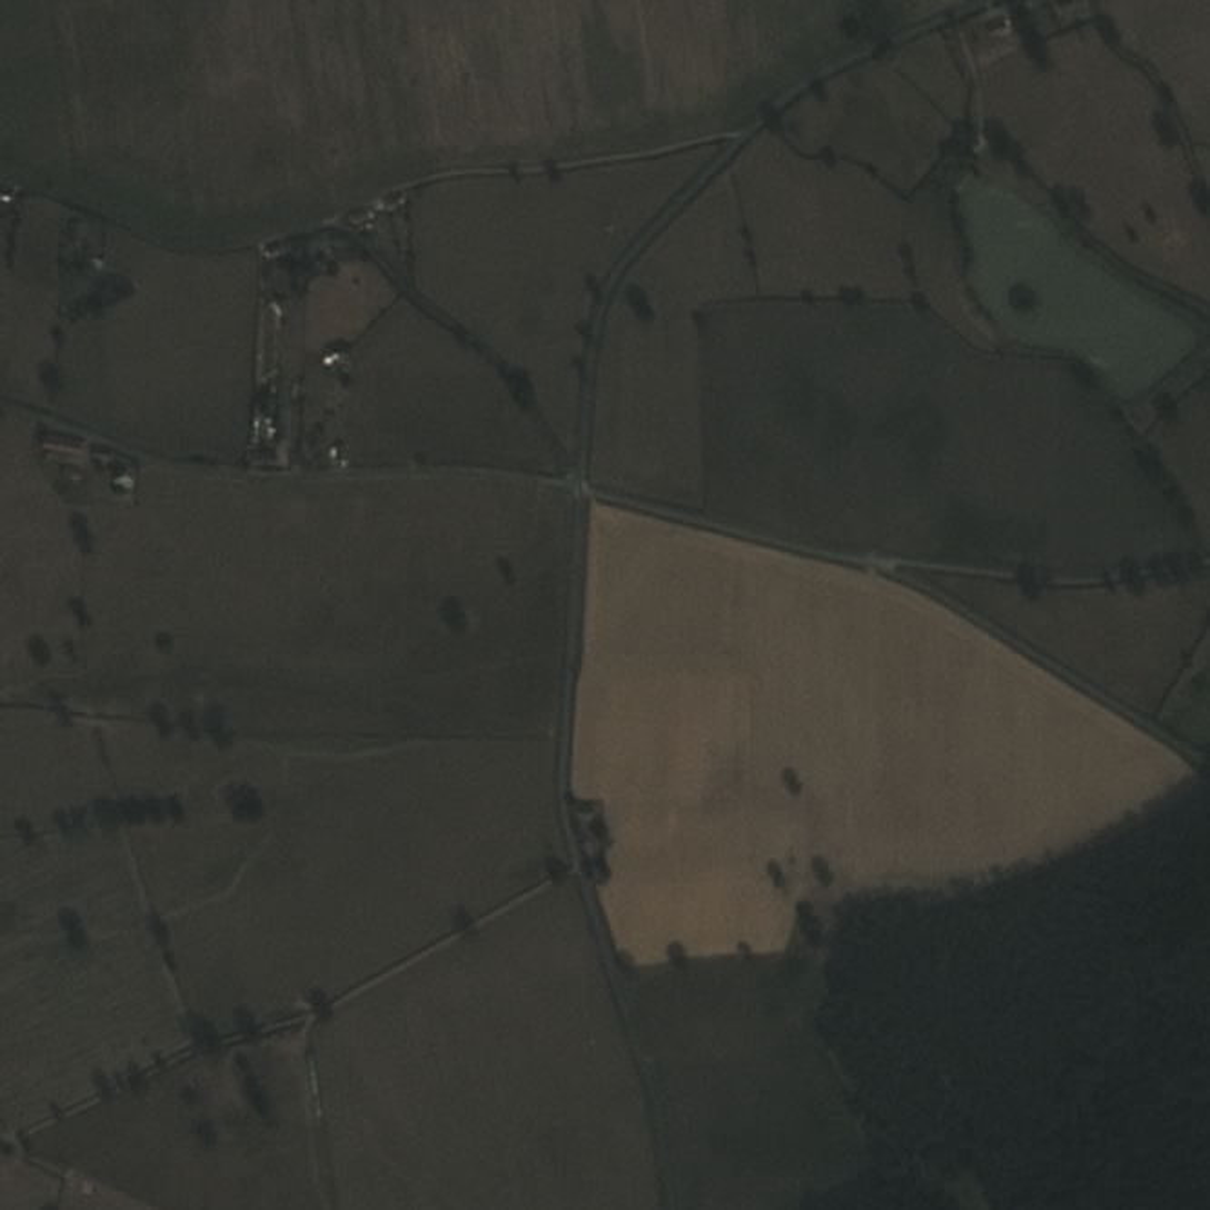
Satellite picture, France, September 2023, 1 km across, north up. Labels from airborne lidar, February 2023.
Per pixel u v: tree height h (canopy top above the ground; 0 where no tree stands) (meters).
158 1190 0
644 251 0
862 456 0
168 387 0
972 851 0
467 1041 0
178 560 0
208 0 0
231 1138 0
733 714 0
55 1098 0
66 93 0
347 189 0
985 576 0
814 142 0
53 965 0
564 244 0
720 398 0
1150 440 0
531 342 0
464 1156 0
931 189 0
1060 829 0
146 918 0
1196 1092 22
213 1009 0
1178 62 0
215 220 0
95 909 0
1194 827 24
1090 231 0
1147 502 0
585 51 0
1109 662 0
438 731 0
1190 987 21
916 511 0
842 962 22
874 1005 23
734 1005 0
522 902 0
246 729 0
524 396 15
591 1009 0
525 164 0
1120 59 0
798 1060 0
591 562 0
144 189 0
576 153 0
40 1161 0
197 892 0
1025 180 0
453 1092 0
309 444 8
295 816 0
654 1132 0
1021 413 0
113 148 0
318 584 0
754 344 0
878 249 0
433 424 0
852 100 0
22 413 0
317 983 0
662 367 0
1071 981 25
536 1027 0
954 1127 18
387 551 0
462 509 0
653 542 0
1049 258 0
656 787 0
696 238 0
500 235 0
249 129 0
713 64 0
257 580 0
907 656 0
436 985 0
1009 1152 24
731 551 0
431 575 0
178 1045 0
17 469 0
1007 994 21
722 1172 0
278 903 0
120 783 0
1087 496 0
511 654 0
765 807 0
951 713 0
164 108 0
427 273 0
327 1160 0
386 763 0
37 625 0
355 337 0
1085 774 0
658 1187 0
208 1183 0
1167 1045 28
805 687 0
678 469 0
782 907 0
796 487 0
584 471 0
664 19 0
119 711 0
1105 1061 22
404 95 0
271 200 0
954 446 0
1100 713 0
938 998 23
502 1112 0
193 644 0
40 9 0
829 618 0
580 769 0
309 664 0
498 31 0
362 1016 0
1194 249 0
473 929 15
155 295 0
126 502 0
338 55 0
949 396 0
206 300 0
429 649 0
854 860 0
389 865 0
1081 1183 24
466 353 0
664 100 0
